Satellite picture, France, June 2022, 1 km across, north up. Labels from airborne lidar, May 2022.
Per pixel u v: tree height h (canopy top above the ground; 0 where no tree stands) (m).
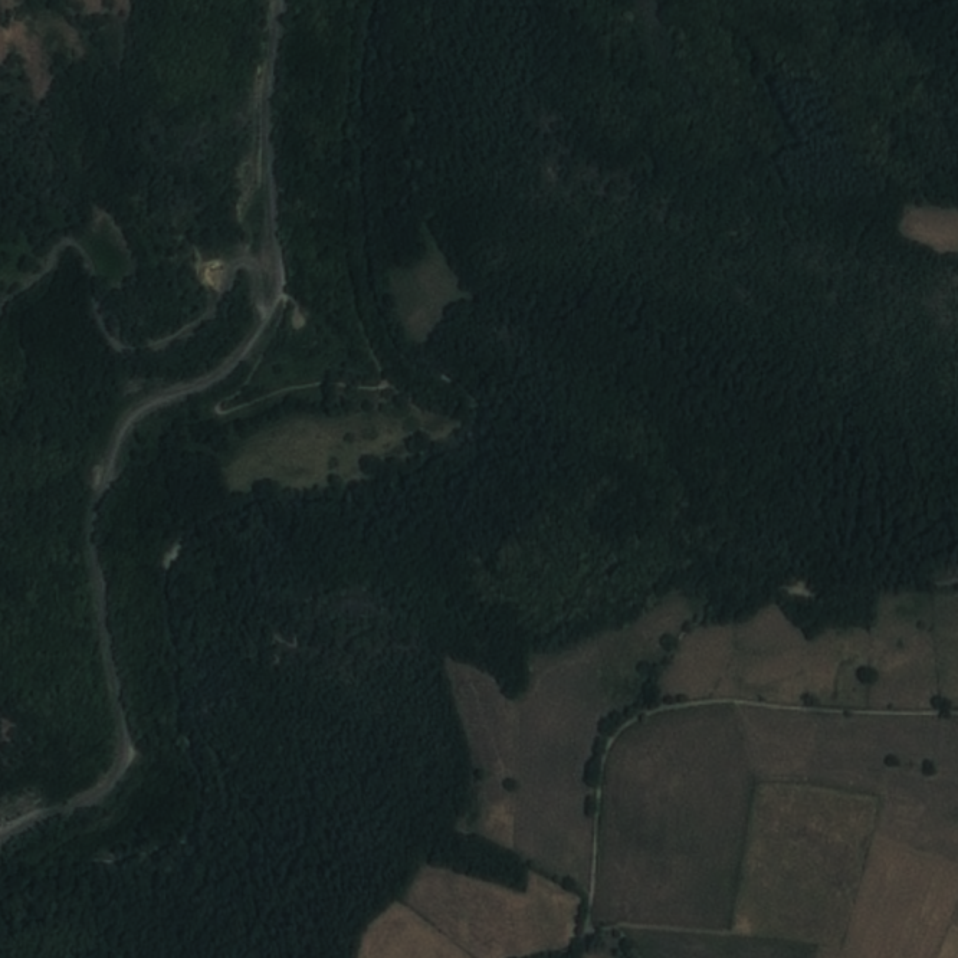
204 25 13
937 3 13
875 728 0
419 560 21
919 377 10
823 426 32
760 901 0
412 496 23
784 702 0
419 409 13
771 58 14
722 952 0
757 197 14
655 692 14
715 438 21
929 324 6
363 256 11
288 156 19
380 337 14
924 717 0
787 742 0
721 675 0
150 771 6
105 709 10
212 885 14
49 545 12
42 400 23
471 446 14
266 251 0
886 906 0
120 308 13
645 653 0
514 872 13
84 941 13
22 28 0
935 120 14
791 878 0
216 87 15
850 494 31
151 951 17
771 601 11
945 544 12
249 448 0
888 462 24
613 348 26
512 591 18
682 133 14
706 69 16
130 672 10
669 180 17
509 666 18
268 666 14
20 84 14
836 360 8
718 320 14
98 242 0
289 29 18
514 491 18
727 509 15
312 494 11
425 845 15
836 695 0
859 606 10
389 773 15
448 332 20
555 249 8
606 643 0
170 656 25
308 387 0
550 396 17
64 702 18
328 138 16
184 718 16
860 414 20
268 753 20
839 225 14
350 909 16
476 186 16
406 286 0
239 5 13
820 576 12
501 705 0
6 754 22
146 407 0
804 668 0
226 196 10
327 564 17
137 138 15
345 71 15
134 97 15
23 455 9
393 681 8
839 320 10
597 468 17
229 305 17
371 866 14
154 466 14
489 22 16
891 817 0
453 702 8
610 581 16
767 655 0
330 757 14
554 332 22
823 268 10
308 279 12
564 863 0
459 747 10
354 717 13
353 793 11
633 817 0
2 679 17
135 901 18
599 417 16
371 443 0
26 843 21
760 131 15
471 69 16
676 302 12
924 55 23
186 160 9
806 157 31
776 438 22
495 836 0
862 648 0
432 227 15
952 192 13
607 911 0
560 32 16
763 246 9
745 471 20
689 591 9
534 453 22
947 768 0
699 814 0
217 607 20
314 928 14
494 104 10
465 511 24
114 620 14
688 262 13
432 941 0
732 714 0
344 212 18
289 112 14
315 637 11
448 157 23
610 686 0
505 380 8
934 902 0
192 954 16
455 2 19
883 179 16
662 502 19
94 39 10
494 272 7
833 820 0
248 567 13
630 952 13
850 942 0
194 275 18
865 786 0
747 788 0
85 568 12
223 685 21
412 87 12
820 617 12
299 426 0
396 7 25
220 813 16
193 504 27
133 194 17
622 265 10
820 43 16
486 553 21
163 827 8
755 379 27
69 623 17
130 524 16
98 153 16
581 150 15
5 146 16
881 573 18
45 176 11
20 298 13
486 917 0
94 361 10
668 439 15
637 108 13
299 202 15
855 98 22
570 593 17
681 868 0
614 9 12
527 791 0
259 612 17
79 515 18
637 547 15
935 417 7
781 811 0
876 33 24
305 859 27
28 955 13
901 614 0
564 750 0
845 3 18
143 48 7
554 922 0
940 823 0
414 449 18
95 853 12
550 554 12
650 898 0
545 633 14
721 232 11
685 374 20
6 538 15
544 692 0
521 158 10
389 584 16
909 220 0
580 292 14
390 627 6
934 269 7
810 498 25
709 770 0
